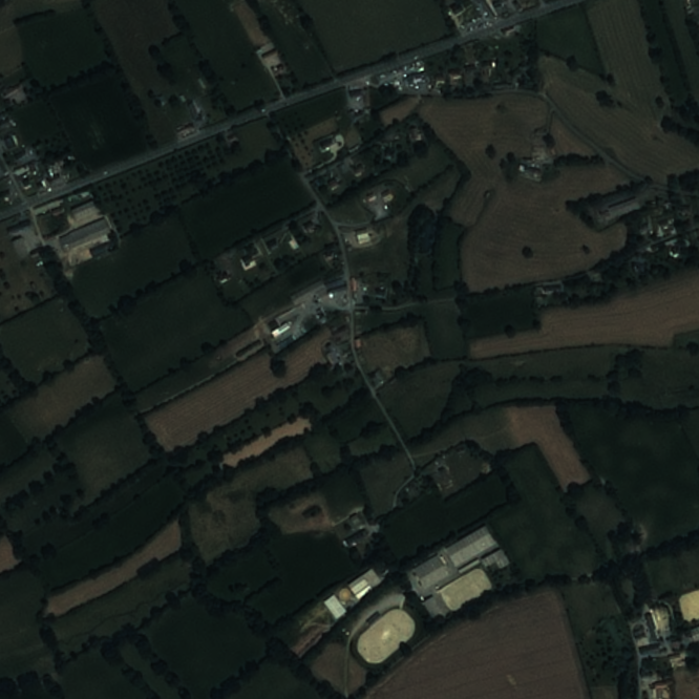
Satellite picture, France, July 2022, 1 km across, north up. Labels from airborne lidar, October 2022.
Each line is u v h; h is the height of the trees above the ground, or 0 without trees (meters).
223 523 0
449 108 0
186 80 0
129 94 15
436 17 0
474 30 0
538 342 0
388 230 0
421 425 0
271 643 13
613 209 0
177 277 14
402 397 0
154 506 0
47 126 0
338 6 0
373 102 0
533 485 0
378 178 11
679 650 10
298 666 17
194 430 0
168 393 0
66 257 0
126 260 0
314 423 17
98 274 0
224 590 0
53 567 0
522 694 0
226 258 0
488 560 0
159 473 0
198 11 0
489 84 6
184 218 7
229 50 0
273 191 0
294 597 0
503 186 0
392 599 0
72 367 15
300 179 0
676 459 0
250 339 0
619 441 0
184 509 12
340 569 0
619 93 0
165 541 0
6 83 0
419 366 8
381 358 0
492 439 0
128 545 0
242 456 0
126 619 0
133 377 0
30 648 0
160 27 0
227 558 17
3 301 0
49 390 0
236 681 16
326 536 0
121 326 0
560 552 0
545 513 0
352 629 0
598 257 0
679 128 12
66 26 0
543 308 7
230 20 0
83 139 0
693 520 0
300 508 0
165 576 0
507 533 0
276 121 13
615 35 0
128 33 0
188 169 7
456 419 8
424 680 0
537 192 0
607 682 0
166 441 0
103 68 13
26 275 0
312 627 0
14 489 0
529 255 11
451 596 0
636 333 0
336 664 0
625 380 0
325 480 11
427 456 0
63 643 0
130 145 0
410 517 0
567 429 16
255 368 0
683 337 0
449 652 0
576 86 0
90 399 0
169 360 0
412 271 11
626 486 0
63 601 0
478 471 0
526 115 0
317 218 0
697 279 0
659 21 0
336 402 0
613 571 18
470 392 18
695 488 0
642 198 0
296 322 0
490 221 0
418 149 18
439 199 0
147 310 0
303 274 0
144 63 0
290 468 0
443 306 0
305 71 0
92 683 0
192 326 0
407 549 0
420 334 0
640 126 0
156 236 0
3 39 0
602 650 6
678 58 9
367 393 17
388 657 0
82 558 0
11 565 0
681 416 14
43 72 0
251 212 0
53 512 16
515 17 0
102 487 0
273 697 0
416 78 0
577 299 14
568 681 0
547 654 0
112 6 0
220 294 10
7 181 0
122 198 7
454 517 0
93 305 0
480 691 0
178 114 0
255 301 0
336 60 0
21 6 0
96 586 0
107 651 21
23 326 0
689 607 0
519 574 14
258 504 6
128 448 0
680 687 0
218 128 0
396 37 0
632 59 0
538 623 0
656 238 9
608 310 0
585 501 0
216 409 0
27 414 0
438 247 10
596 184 0
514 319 0
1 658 0
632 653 9
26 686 20
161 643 0
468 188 0
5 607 0
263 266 11
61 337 0
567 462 0
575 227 0
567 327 0
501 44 0
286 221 6
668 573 0
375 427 16
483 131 0
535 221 0
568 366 0
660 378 0
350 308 0
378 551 12
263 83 0
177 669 0
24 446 0
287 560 0
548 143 17
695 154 0
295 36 0
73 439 0
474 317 0
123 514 0
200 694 0
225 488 0
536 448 6
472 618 10
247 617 15
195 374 0
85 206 0
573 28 0
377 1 0
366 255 0
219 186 7
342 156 9
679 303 0
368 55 0
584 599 0
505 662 0
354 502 0
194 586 9
